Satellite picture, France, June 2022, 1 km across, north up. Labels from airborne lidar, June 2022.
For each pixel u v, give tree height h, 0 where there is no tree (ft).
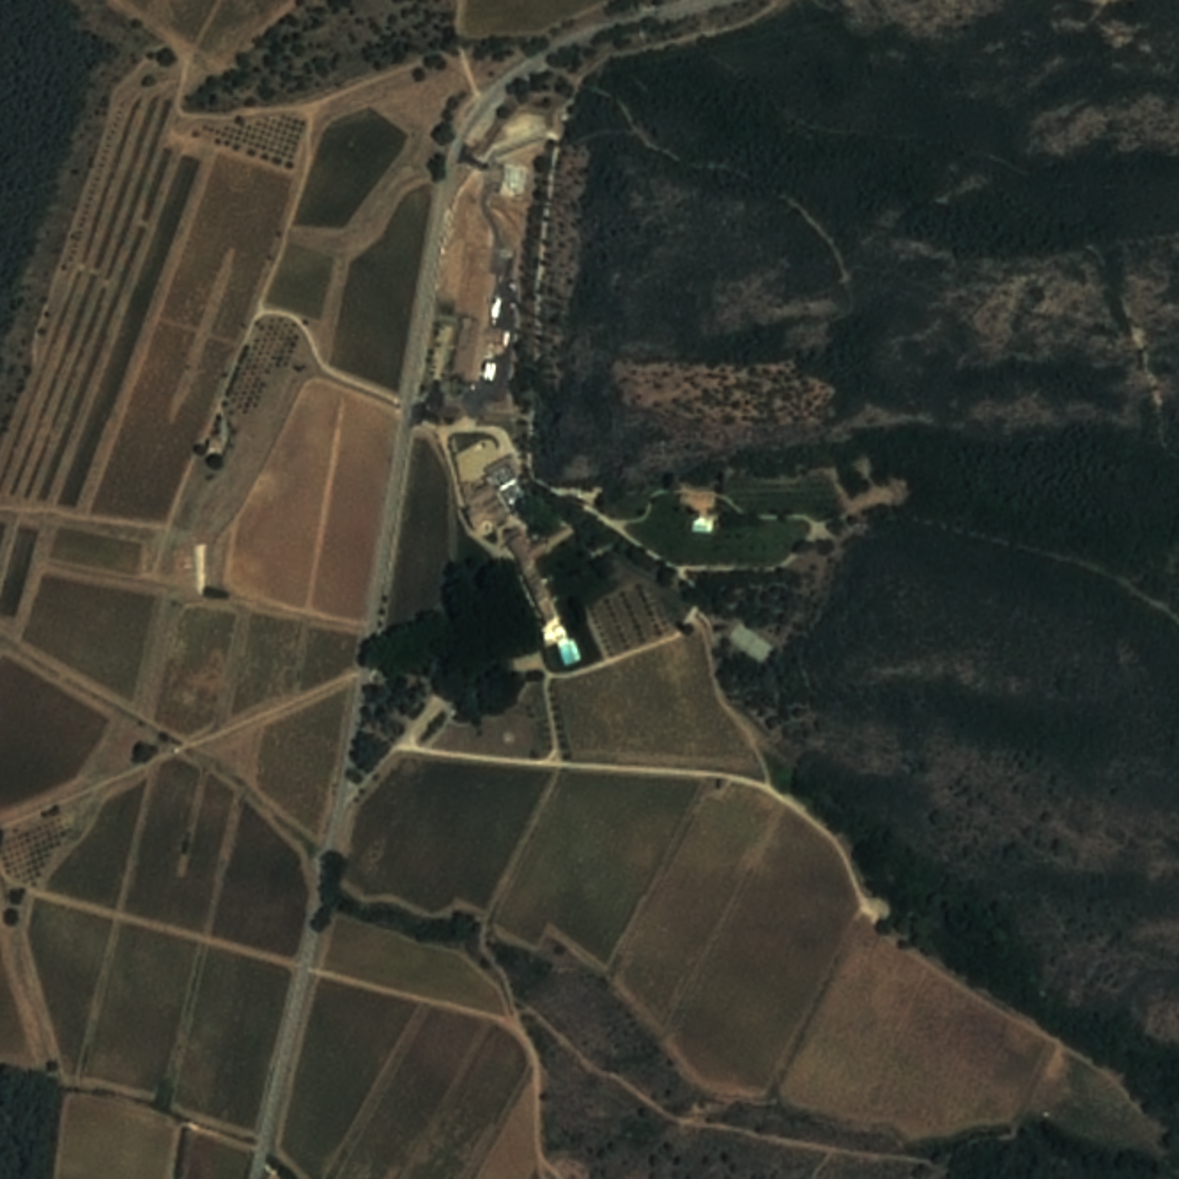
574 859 0
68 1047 0
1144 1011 0
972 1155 25
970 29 26
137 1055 0
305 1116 0
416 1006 0
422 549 0
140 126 0
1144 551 21
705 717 0
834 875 0
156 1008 0
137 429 0
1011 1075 0
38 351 0
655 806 0
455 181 0
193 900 0
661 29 26
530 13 0
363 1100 0
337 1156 0
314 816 0
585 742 0
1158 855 0
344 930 0
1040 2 0
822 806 45
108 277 0
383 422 0
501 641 100
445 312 0
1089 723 21
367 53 34
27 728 0
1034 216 25
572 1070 0
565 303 41
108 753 0
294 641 0
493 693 51
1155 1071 26
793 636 26
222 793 0
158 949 0
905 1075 0
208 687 0
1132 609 18
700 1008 0
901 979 0
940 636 17
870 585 20
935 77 24
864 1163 0
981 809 30
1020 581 22
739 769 0
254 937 0
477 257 0
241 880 0
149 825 0
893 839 40
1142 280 0
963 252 38
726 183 39
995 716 21
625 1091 0
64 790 0
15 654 0
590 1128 0
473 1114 0
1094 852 0
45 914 0
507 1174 0
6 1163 80
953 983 0
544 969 18
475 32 0
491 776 0
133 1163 0
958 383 21
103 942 0
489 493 0
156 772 0
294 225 0
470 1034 0
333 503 0
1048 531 29
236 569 0
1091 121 0
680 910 0
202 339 0
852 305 0
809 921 0
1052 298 0
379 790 0
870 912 0
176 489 0
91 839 0
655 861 0
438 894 0
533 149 0
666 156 21
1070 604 17
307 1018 0
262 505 0
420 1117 0
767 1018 0
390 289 0
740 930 0
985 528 28
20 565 0
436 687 40
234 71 31
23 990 0
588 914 0
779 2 0
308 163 0
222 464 37
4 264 62
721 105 38
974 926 45
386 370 0
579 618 30
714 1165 34
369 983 0
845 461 33
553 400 25
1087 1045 40
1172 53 0
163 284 0
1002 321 0
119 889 0
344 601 0
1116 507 19
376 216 0
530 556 0
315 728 0
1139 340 0
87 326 0
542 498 41
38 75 52
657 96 22
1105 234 23
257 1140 0
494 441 0
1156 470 20
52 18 56
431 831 0
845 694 20
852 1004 0
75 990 0
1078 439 48
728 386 24
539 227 25
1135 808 0
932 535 19
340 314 0
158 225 0
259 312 0
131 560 0
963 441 26
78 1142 0
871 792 21
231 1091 0
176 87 0
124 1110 0
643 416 0
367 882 0
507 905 0
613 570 50
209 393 0
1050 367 21
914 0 0
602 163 20
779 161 42
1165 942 0
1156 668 19
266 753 0
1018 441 21
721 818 0
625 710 0
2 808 0
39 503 0
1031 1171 23
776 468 34
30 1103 70
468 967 0
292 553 0
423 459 0
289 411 0
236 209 0
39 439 0
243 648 0
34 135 60
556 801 0
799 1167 0
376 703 49
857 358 41
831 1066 0
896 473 33
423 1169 0
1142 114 0
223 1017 0
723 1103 0
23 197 59
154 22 0
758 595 23
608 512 46
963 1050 0
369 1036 0
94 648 0
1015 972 25
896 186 26
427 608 0
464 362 0
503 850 0
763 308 0
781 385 43
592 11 0
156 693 0
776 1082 0
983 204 19
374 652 75
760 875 0
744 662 38
